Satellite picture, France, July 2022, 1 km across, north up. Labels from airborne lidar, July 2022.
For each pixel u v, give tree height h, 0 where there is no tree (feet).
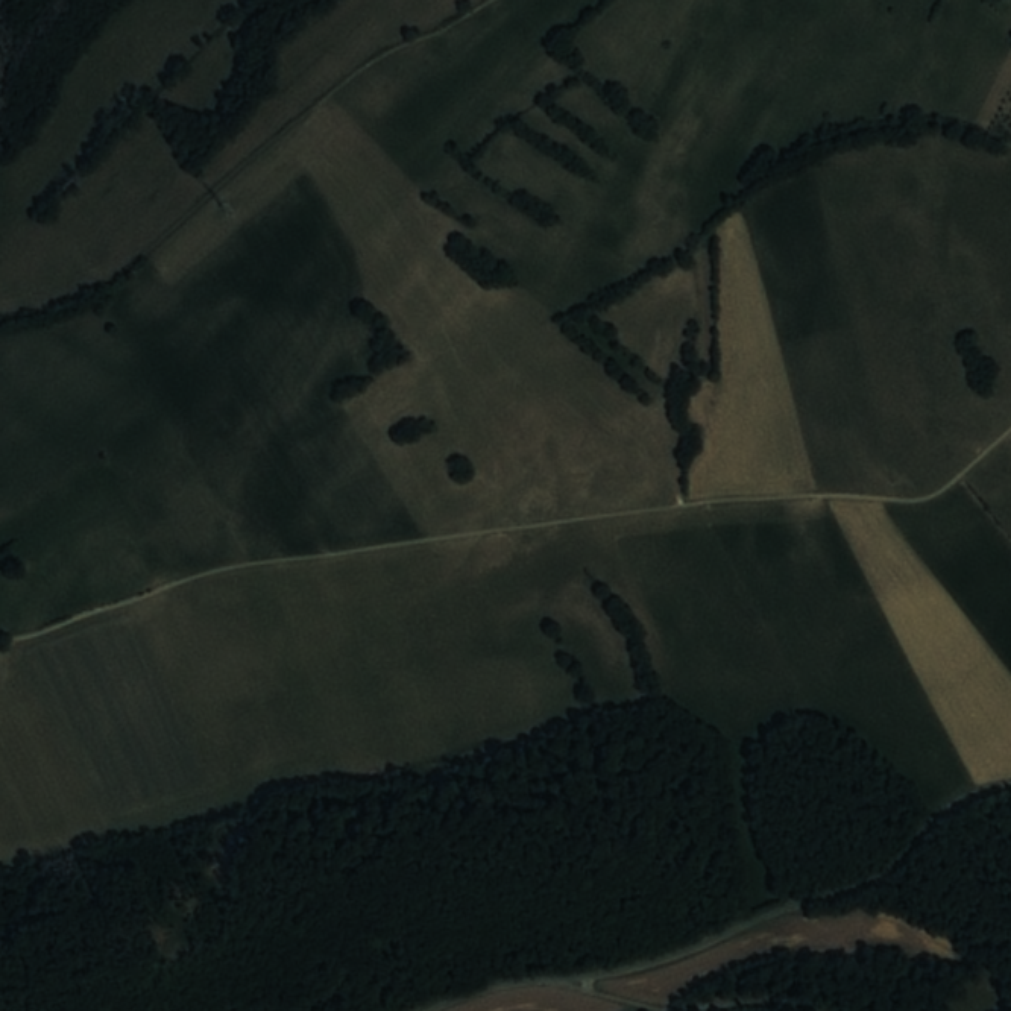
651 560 0
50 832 0
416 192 0
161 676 0
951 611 0
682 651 0
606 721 92
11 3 53
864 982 86
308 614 0
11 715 0
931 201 0
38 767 0
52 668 0
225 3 0
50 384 0
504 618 0
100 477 0
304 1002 89
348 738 0
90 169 63
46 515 0
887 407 0
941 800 0
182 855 62
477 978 70
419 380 0
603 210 0
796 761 72
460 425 0
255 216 0
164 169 0
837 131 31
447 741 0
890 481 0
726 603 0
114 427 0
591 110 0
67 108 0
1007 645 0
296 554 0
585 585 0
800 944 0
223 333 0
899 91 0
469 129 0
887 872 53
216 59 0
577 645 0
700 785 99
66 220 0
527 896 54
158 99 55
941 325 0
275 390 0
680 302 0
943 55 0
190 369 0
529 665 0
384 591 0
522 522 0
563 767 96
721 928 67
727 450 0
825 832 52
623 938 66
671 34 0
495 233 0
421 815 93
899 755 0
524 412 0
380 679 0
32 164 0
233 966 61
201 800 0
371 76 0
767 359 0
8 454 0
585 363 0
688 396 68
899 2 0
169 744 0
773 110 0
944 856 69
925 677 0
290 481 0
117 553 0
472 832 74
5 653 41
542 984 0
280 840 92
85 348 0
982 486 0
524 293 0
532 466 0
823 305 0
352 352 0
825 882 61
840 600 0
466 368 0
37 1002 59
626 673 0
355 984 73
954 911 75
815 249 0
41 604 0
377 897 63
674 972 0
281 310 0
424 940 57
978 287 0
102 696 0
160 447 0
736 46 0
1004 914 67
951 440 0
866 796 69
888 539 0
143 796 0
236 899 80
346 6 0
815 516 0
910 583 0
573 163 55
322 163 0
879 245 0
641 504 0
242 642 0
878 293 0
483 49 0
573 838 65
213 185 0
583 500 0
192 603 0
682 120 0
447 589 0
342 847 75
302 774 0
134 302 0
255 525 0
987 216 0
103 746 0
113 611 0
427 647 0
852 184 0
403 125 0
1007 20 0
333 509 0
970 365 44
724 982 73
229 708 0
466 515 0
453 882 57
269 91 54
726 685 0
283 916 61
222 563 0
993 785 0
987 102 0
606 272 0
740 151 0
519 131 54
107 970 57
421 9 0
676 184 0
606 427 0
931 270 0
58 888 75
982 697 0
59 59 74
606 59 0
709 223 28
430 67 0
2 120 79
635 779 78
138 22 0
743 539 0
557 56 49
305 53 0
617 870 44
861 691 0
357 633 0
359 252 0
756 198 34
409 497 0
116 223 0
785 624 0
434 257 0
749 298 0
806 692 0
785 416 0
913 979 75
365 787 92
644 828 55
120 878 85
